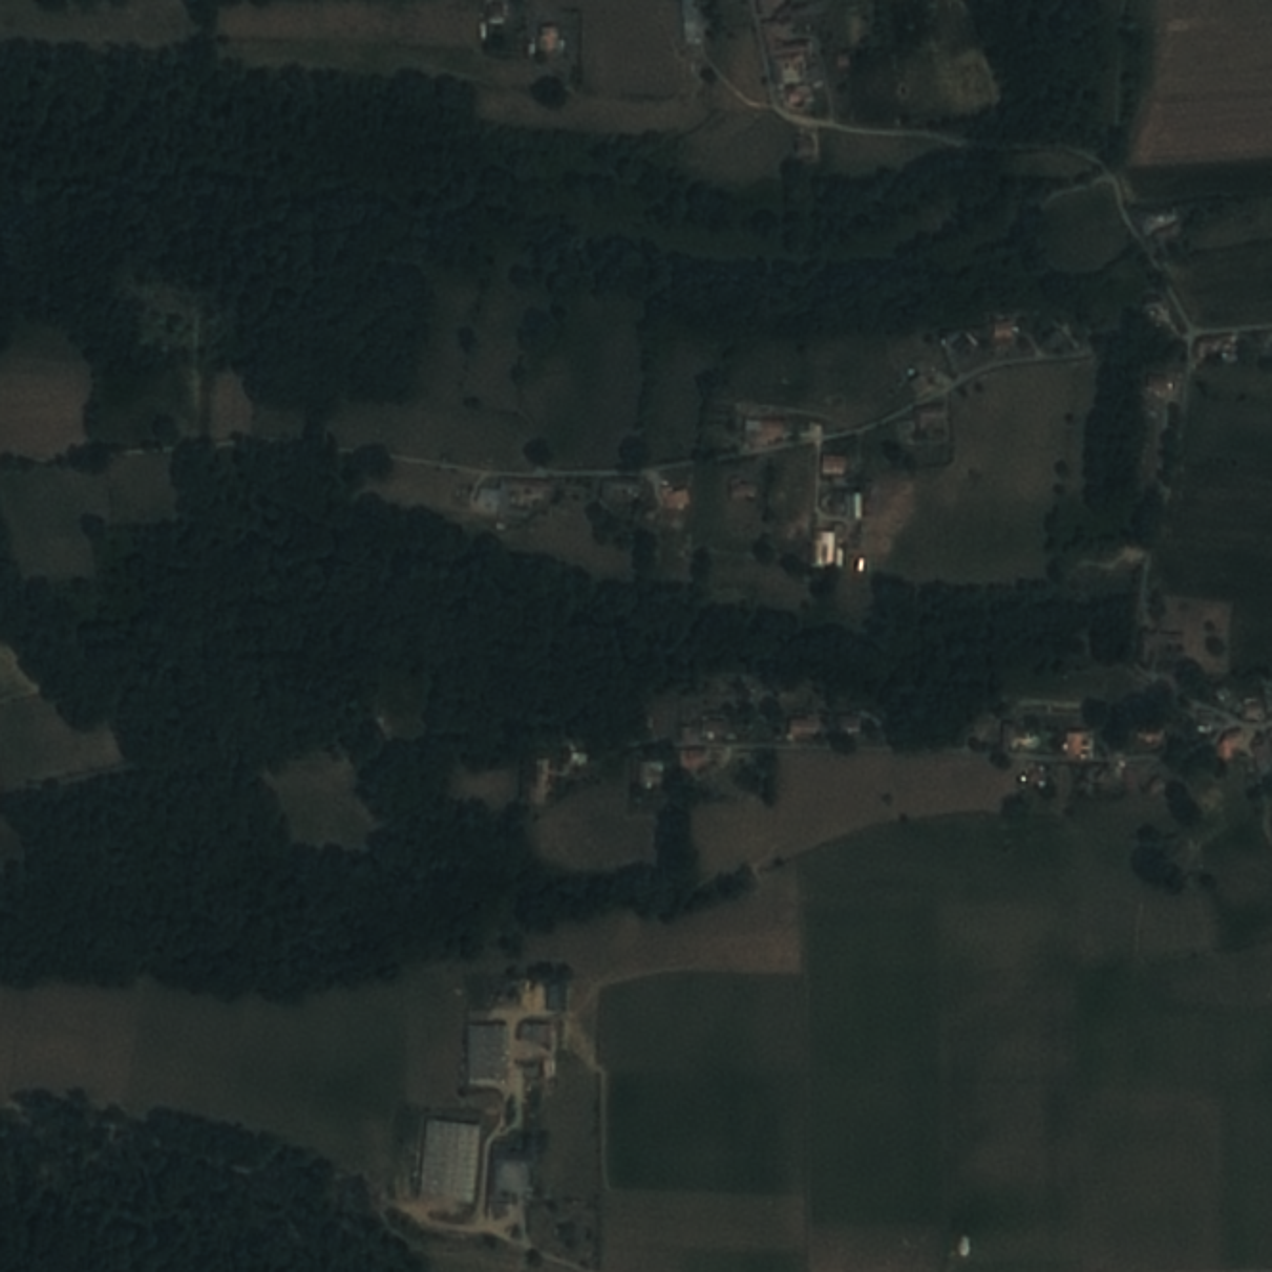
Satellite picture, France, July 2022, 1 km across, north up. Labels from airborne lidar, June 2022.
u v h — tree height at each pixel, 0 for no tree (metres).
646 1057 0
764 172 0
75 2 8
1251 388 0
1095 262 0
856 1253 0
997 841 0
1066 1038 0
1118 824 0
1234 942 0
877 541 0
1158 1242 0
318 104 12
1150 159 0
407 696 0
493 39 9
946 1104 0
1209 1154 0
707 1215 0
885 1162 0
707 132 0
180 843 19
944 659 26
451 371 0
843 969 0
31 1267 15
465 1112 0
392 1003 0
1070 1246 0
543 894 27
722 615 24
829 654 32
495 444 0
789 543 0
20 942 19
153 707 30
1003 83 7
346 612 27
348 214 23
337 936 28
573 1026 0
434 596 28
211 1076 0
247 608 31
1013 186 18
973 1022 0
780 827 0
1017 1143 0
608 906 11
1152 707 25
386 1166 0
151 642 17
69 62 22
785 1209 0
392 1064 0
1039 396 0
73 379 0
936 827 0
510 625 31
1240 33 0
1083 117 23
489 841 26
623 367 0
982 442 0
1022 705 0
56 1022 0
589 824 0
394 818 20
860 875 0
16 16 0
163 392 0
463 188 27
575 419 0
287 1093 0
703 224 27
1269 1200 0
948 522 0
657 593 21
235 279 26
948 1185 0
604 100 0
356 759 9
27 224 31
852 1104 0
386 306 27
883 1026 0
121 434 0
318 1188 28
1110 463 17
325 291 25
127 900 23
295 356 25
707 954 0
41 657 21
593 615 15
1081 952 0
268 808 25
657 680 16
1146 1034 0
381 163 12
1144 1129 0
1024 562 0
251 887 12
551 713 24
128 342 22
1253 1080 0
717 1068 0
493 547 23
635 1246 0
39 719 0
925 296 24
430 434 0
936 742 20
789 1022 0
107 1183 24
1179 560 0
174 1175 26
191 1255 15
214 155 18
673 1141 0
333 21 0
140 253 18
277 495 21
